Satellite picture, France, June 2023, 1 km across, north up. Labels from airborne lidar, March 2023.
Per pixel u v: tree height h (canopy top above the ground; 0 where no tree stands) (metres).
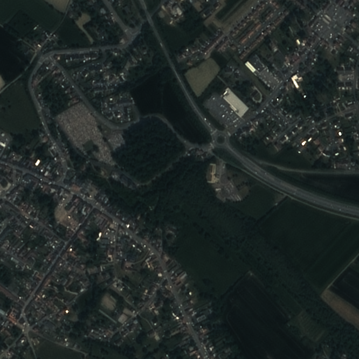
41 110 0
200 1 0
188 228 0
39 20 0
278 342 0
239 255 6
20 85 0
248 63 0
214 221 7
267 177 0
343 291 0
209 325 12
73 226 0
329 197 0
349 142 6
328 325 7
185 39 0
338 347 17
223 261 0
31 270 0
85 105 0
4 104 0
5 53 0
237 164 0
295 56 0
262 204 0
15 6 0
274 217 0
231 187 0
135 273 8
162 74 15
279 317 0
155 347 0
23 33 0
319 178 0
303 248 0
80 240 7
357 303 0
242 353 17
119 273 0
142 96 0
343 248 0
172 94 0
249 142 8
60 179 0
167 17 0
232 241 15
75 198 0
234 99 0
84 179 6
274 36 0
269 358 0
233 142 0
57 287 9
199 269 0
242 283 0
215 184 0
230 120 0
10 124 0
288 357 0
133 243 0
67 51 0
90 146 0
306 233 0
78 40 0
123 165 7
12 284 0
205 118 0
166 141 15
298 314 0
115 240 0
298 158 0
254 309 0
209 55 0
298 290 6
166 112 0
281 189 0
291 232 0
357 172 0
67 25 0
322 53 10
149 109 0
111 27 10
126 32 0
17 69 0
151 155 20
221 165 0
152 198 21
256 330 0
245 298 0
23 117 0
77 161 18
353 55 0
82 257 0
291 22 10
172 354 14
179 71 9
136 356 0
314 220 0
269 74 0
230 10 0
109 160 0
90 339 14
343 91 0
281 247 0
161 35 0
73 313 0
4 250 0
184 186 6
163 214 14
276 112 0
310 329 0
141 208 19
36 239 0
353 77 0
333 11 0
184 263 0
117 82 0
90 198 0
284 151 0
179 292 0
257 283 0
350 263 0
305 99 13
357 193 0
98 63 0
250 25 0
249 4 0
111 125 0
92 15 12
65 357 0
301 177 0
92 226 0
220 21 0
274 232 0
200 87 0
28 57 9
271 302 0
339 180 0
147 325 0
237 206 0
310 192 0
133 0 0
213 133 0
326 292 0
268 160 0
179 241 0
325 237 0
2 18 0
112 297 0
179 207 14
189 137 0
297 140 0
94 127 0
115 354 0
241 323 0
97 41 6
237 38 0
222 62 0
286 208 0
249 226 18
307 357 0
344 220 0
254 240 5
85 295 0
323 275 0
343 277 0
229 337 12
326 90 14
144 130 19
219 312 14
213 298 16
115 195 15
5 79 11
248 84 12
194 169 16
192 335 0
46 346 0
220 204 10
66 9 0
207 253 0
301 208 0
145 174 17
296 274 5
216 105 0
